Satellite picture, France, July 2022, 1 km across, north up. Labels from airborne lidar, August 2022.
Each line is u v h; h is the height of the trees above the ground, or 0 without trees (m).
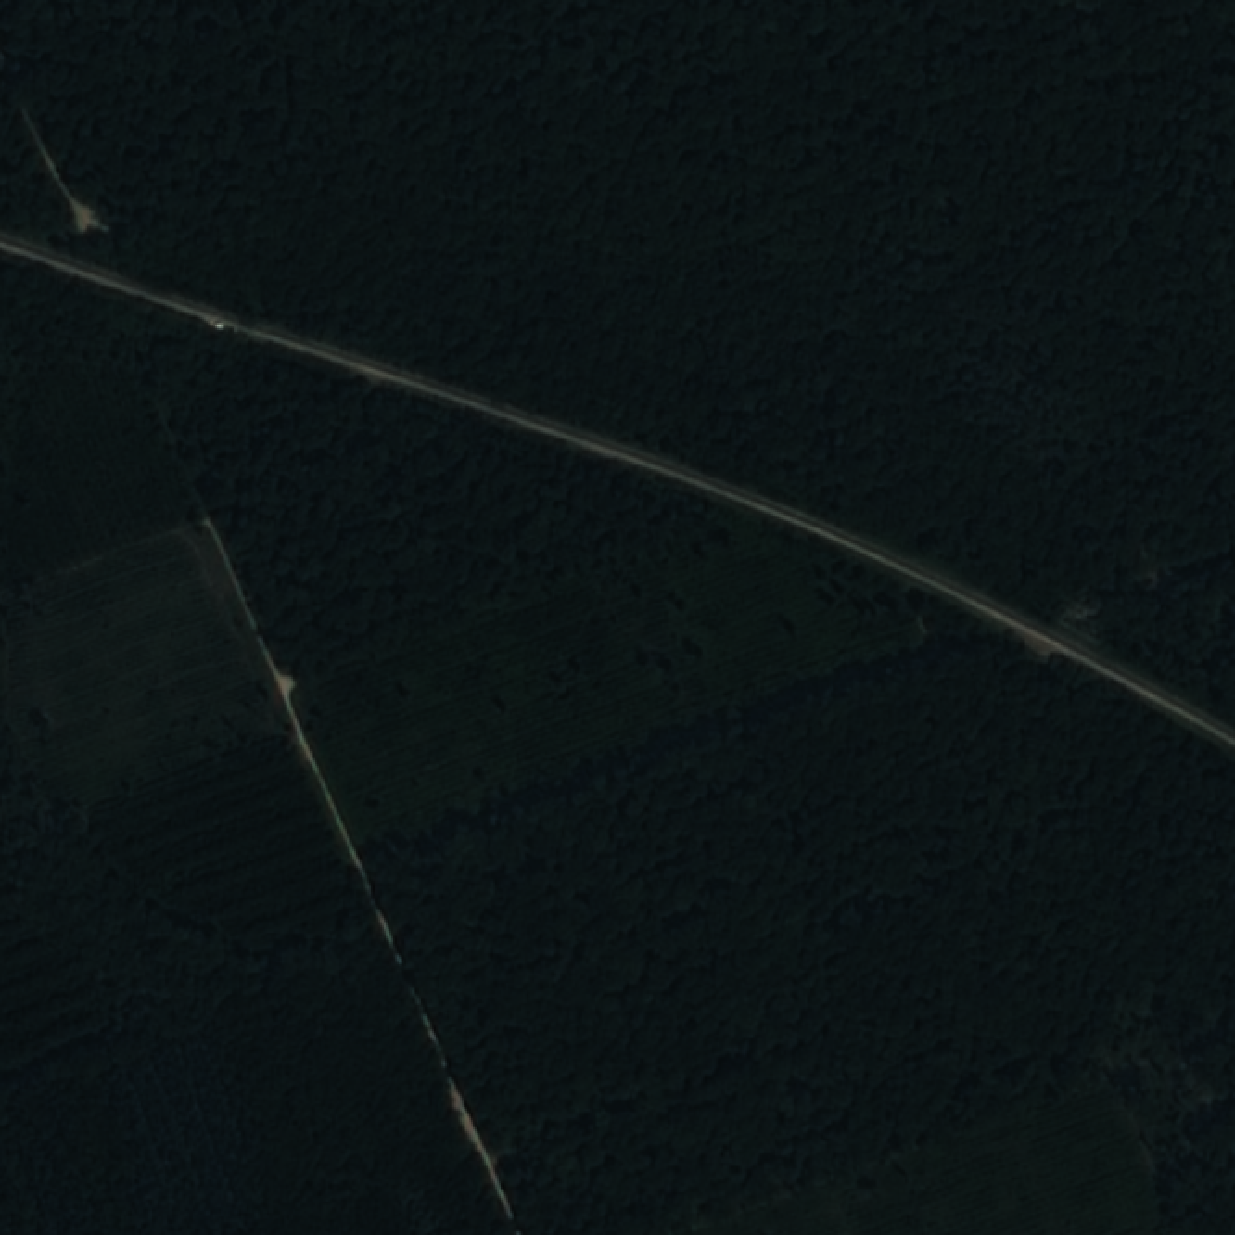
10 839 17
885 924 22
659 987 27
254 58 22
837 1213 0
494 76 22
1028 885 30
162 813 8
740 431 26
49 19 26
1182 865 26
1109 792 21
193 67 28
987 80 25
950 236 20
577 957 26
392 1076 24
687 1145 27
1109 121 28
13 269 21
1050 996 29
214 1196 23
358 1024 24
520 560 24
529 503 19
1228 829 31
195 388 17
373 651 23
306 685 21
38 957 6
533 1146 16
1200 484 24
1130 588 25
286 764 8
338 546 27
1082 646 0
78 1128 20
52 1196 22
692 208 23
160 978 23
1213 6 26
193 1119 22
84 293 24
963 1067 12
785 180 24
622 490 22
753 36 26
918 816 27
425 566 26
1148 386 19
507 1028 21
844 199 23
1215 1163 26
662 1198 22
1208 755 14
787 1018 30
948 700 27
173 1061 25
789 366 26
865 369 24
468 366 18
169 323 16
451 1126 23
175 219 24
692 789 26
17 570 7
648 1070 29
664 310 24
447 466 16
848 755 31
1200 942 24
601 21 23
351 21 22
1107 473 26
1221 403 26
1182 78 26
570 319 22
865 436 23
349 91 25
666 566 21
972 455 24
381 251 24
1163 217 27
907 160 23
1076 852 26
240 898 8
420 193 24
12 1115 19
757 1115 26
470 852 25
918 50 25
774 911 25
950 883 25
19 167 25
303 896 7
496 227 18
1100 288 23
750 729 24
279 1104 18
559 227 21
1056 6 28
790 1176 17
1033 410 29
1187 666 23
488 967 27
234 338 17
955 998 28
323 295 26
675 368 22
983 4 24
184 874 7
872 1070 26
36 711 0
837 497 24
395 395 18
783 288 21
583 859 28
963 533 27
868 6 22
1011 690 25
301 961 25
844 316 23
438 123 21
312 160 23
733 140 27
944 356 26
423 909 28
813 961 29
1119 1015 15
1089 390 24
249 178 25
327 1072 23
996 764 22
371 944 26
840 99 29
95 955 18
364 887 16
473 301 25
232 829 8
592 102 31
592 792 25
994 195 24
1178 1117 9
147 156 25
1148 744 25
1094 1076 29
